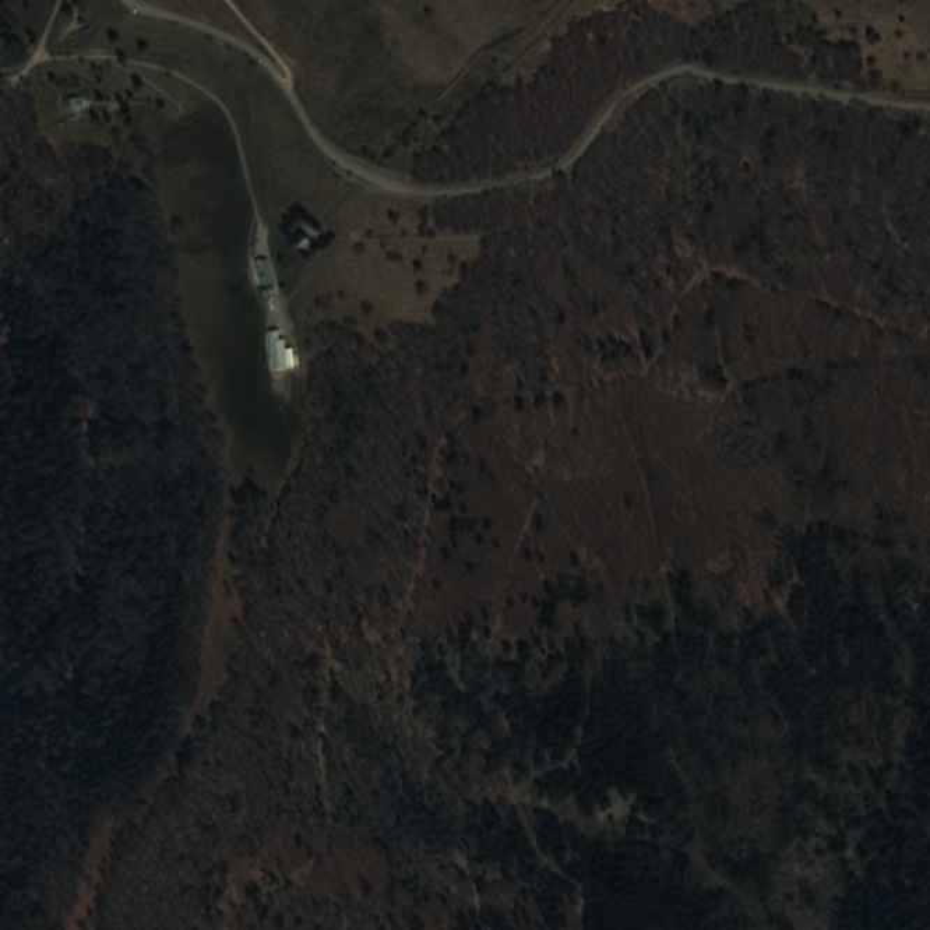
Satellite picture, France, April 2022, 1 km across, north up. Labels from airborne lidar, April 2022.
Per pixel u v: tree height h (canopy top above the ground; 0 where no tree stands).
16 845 15
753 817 25
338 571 15
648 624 20
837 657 23
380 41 0
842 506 23
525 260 24
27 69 0
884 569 23
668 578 12
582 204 18
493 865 15
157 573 24
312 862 14
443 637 6
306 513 23
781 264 26
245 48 0
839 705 30
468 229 15
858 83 12
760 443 11
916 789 22
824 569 24
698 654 24
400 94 0
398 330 14
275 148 0
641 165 25
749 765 23
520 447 15
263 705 11
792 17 0
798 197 26
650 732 22
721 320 19
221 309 0
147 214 19
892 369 19
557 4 0
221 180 0
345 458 20
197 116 0
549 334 30
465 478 17
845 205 25
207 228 0
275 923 17
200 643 7
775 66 13
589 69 16
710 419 13
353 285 0
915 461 19
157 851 29
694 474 13
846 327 16
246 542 12
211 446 15
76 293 23
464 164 13
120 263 18
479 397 17
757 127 16
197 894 22
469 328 23
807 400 15
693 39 13
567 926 17
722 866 21
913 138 17
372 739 30
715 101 18
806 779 16
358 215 0
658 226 29
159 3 0
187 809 21
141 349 23
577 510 15
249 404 0
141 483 14
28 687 32
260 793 22
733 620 22
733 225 14
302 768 24
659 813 26
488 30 0
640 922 23
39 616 26
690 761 24
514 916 13
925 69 0
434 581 14
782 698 30
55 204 30
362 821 29
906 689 21
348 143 0
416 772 33
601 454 19
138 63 0
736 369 15
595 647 19
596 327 10
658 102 16
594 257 27
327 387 17
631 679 21
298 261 0
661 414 15
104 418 27
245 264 0
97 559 24
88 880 11
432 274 0
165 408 27
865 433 18
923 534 17
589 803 24
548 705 25
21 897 21
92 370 17
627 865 26
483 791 34
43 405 18
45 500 32
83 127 0
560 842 15
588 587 18
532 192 16
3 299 24
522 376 12
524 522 10
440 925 16
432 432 13
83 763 11
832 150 18
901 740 23
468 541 17
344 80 0
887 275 29
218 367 0
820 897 19
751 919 22
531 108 10
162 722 20
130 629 21
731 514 17
